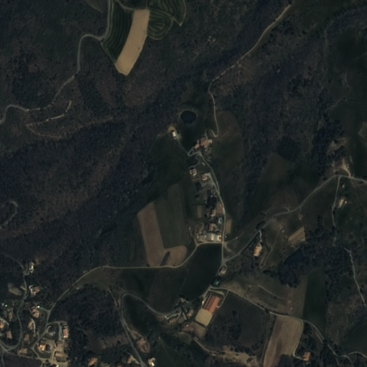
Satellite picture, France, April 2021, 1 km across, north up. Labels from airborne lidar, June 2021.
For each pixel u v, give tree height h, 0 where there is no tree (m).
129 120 12
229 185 0
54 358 0
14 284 0
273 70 16
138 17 0
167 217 0
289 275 14
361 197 0
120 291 0
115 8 0
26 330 7
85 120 8
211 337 8
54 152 12
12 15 7
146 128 8
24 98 8
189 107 0
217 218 7
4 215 7
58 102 11
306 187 0
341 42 0
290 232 0
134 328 0
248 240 0
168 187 0
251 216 0
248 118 8
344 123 0
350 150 0
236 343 8
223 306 0
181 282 0
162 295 0
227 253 0
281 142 7
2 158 10
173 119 10
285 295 0
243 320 0
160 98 18
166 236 0
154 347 9
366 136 0
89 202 17
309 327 13
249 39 11
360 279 0
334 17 14
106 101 10
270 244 0
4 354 7
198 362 22
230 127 0
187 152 0
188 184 0
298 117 11
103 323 14
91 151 12
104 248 6
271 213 0
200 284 0
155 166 7
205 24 0
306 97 13
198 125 0
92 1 0
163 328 9
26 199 13
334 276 11
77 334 13
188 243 0
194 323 0
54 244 10
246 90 21
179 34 6
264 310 0
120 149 7
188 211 0
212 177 0
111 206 16
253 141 22
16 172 13
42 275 13
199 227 0
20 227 13
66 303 11
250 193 7
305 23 0
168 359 0
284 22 7
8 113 10
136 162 11
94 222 15
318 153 7
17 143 18
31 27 6
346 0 0
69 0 10
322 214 0
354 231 0
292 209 0
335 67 0
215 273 0
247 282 0
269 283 0
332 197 0
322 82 11
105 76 13
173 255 0
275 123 6
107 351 6
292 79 10
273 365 0
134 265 0
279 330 0
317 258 12
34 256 11
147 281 0
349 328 0
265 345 0
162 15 0
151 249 0
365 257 10
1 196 11
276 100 10
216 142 0
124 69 0
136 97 8
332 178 0
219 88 9
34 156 12
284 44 14
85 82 9
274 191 0
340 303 0
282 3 9
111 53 0
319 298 0
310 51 9
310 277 0
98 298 12
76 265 9
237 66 7
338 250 10
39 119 6
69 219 12
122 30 0
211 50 12
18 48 8
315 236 11
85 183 13
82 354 8
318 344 0
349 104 0
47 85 9
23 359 8
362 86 0
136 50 0
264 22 11
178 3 0
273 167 0
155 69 7
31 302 7
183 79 14
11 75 8
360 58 0
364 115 0
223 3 0
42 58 6
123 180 14
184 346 15
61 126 5
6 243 12
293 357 12
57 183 8
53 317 7
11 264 13
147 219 0
